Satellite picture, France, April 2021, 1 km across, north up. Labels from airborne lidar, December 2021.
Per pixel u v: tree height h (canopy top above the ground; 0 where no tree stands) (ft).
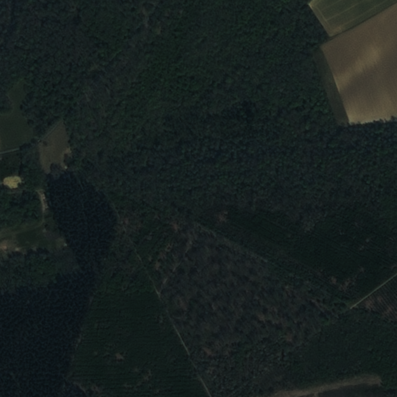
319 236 21
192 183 73
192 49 52
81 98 49
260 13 52
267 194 77
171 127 64
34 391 109
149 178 82
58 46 85
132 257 48
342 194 73
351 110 0
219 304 79
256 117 45
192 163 68
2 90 81
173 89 69
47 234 0
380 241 19
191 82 61
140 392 31
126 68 84
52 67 97
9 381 100
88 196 101
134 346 30
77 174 75
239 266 91
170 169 74
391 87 0
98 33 76
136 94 30
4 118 0
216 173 38
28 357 109
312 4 0
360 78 0
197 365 63
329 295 39
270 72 85
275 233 20
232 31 56
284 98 69
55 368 109
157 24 56
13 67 72
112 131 73
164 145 80
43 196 0
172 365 37
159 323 39
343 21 0
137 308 29
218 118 77
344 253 25
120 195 47
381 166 30
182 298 84
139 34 90
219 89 79
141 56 98
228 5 77
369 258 19
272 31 72
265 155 75
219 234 52
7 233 0
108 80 96
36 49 76
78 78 94
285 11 55
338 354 42
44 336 98
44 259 71
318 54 0
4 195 56
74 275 80
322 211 26
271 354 44
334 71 0
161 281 96
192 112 26
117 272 45
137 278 51
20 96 0
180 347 29
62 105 43
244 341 44
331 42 0
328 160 76
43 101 81
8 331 122
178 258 85
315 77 33
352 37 0
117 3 91
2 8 60
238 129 66
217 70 67
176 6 63
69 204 78
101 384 50
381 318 24
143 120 52
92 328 34
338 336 42
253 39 68
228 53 60
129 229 36
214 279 0
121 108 66
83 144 89
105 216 88
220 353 29
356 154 67
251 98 77
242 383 54
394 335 33
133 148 66
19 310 120
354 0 0
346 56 0
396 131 68
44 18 71
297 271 31
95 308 29
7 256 0
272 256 21
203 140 62
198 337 71
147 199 72
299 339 84
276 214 24
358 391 0
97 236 116
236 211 22
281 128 57
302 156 49
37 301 114
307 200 70
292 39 73
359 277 22
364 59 0
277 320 76
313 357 41
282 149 52
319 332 51
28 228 0
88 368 27
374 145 71
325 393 0
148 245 44
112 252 48
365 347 39
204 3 55
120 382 36
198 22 54
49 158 0
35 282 74
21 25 73
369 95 0
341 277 21
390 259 20
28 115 66
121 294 28
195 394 19
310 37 24
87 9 76
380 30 0
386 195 42
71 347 111
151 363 24
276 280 81
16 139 0
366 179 64
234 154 57
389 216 34
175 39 33
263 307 76
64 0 70
